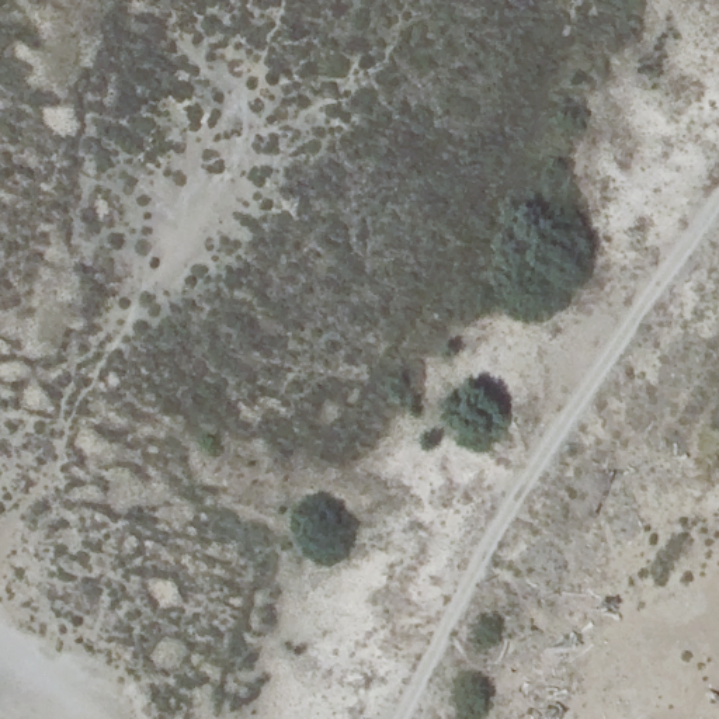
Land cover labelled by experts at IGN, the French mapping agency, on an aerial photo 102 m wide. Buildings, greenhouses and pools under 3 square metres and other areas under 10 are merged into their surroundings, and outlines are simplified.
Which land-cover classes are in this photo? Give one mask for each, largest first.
<instances>
[{"label":"herbaceous vegetation","instance_id":"1","mask_svg":"<svg viewBox=\"0 0 719 719\"><path fill-rule=\"evenodd\" d=\"M174 31H185L194 45H199L211 34H222L208 48V62H219L222 67H227L230 76H239L242 65L258 62L267 65L270 84H275L284 76L289 79L281 104L267 118L272 135H258L253 140V152L281 154L289 163L281 194L295 199L298 211L275 216L272 199H264L261 216L236 213V222L250 230V250L256 258L250 264L227 267L219 275H211L202 264L191 267L180 289L183 301L171 303L169 320L160 326L138 320L135 331L124 337L126 348L107 351L112 334L104 343L90 345V334L101 329L98 317L110 309H129V298L124 292L110 289L112 284H124V278L115 272V253L126 247L143 256L152 244V227H132L124 211V199L132 197L138 205L152 202L138 188L140 171L166 177L174 185H185V174L177 171L169 157L183 154L185 143L169 140L171 112L166 98L183 101L194 95V87L188 81H180L177 70L197 73L199 67L177 51V42L171 39ZM680 39L674 17H657L646 6V0H0V609L6 604L11 609H28V618L17 629L37 638L48 635V626L37 618V612L51 609L59 621V635L73 632L76 646L81 652L104 657V663L118 671V685L135 682L138 691L149 697L146 713L152 719H197L194 688L205 685L213 691L216 716L225 711V705H230V711H242L261 697L264 685L270 682V674L264 668L267 660H281L284 654H306V643H295V635L278 621V607L284 595L281 590L292 579H301L303 565L309 559L301 548H292L289 542L292 514L301 500L312 494H331L360 520V531L376 525V514H396L402 506L421 508V497L399 477H382L376 472L357 475L354 463L368 458L382 438L390 435V424L399 416L424 413L427 357H458L463 351V340L452 334V326H472L483 317L475 309V295L486 289L489 272L494 270L492 233L500 216L497 208L508 205L528 211V199L534 197H545L548 202H553L565 197L573 202L581 197L573 157L576 143L581 140L590 124V95L624 76H663V65L668 59L666 45ZM604 522L612 525L615 534L649 536L652 553L657 559L640 567L638 573L640 579H654L657 587L668 584L677 559L691 548L694 534H702L705 556H713V545L719 542V219L708 230L705 242L688 256V264L671 278L666 295L646 312L643 323L638 326V334L618 357V365L612 368L609 379L598 388L595 404L581 416L567 444L559 449L556 463L548 472H542L536 489L528 492L525 508L514 517V522L497 542L492 562L486 567V579L477 581L463 618L449 632L447 652L435 666L413 719H458L452 705V682L458 674L466 671H480L494 682L492 711L486 719H579V713L567 705L573 702V694L587 691L584 674L590 663L584 657L593 652V643H584L581 629H573L559 638L553 635V629L556 612L573 615L570 604H559L562 593H581L609 579V545L604 536ZM477 615L503 618L506 626L500 646L480 652L469 643Z\"/></svg>","mask_w":719,"mask_h":719},{"label":"bare soil","instance_id":"2","mask_svg":"<svg viewBox=\"0 0 719 719\"><path fill-rule=\"evenodd\" d=\"M646 6L657 17H674L680 39L666 45L668 59L663 65V76H624L590 95V124L581 140L576 143L573 157L581 197L587 202L590 222L598 230V256L590 284L579 289V295L565 312H556L542 323H520L506 315L483 317L472 326H452V334L463 340V351L458 357H427L424 413L399 416L390 424V435L382 438L368 458L354 463L357 475L376 472L382 477H399L421 497V508L402 506L396 514H376V525L360 531L351 559L331 567L315 565L309 559L303 565L301 579H292L281 590L284 595L278 607V621L295 635V643H306V654H284L281 660H267L264 668L270 674V682L264 685L261 697L242 711H230V705H225V711L216 716L213 691L205 685L194 688L197 719H371V713H376L385 702V697H390L399 688L407 666L418 671L427 646L433 643L435 624H441V615L433 612L424 621L402 629L399 618L416 615L421 601L430 598L452 604V595H438V573L447 565L458 570L469 567L477 542L483 539L489 522L497 517L500 503L506 500V492L494 486L506 480L508 469L522 472L528 466L531 447L542 438L545 427L565 410L570 393L593 368L601 345L612 337L626 309L635 303L643 281H649V275L660 267V250L652 247L646 239L649 225H654L663 233V239L671 236L677 225L680 230H688L705 208V199L719 188V0H646ZM483 374L506 385L511 396V424L508 435L497 441L489 452H472L455 444L458 435L452 424L444 418V399L466 379ZM222 34H211L199 45H194L185 31H174L171 39L177 42V51L199 67L197 73L177 70L180 81H188L194 87V95L183 101L166 98L171 112L169 140L185 143L183 154L169 157L177 171L185 174V185H174L166 177L140 171L138 188L152 202L138 205L132 197L124 199V211L132 227H152V244L143 256L126 247L115 253V272L124 278V284H112L110 289L124 292L129 298V309H110L98 317L101 329L90 334V345L104 343L112 334L107 351L126 348L124 337L135 331L138 320L160 326L169 320L171 303L183 301L180 289L191 267L202 264L211 275H219L227 267L250 264L256 258L250 250V230L236 222V213L261 216L264 199H272L275 216L298 211L295 199L281 194L289 163L281 154L253 152V140L258 135H272L267 118L281 104L289 79L284 76L275 84H270L267 65L258 62L242 65L239 76H230L227 67H222L219 62H208V48ZM604 536L609 545V579L581 593H562L559 604H570L573 615L556 612L553 629V635L559 638L573 629H581L584 643H593V652L584 657L590 663L584 674L587 691L573 694V702L567 705L579 713V719H719V542L713 545V556H705L702 534H694L691 548L677 559L668 584L657 587L654 579H640L638 573L640 567L657 559L652 553L649 536L615 534L612 525L604 522ZM28 618V609H11L6 604L0 609V719H152L146 713L149 697L138 691L135 682L118 685V671L104 663V657L81 652L76 646L73 632L59 635V621L51 609L37 612V618L48 626V635L37 638L17 629Z\"/></svg>","mask_w":719,"mask_h":719},{"label":"brushwood","instance_id":"3","mask_svg":"<svg viewBox=\"0 0 719 719\"><path fill-rule=\"evenodd\" d=\"M500 216L492 233L494 270L489 272L486 289L475 295V309L483 317L506 315L520 323H542L556 312H565L579 295V289L590 284L598 256V230L590 222L587 202L581 197L573 202L565 197L553 202H548L545 197H534L528 199V211L508 205L497 208ZM444 418L452 424L458 435L455 444L472 452H489L497 441L508 435L511 424V396L506 385L483 374L466 379L444 399ZM360 531V520L331 494H312L301 500L292 514L289 542L292 548H301L309 559L315 565L331 567L351 559ZM506 626L503 618L477 615L469 643L480 652L500 646ZM494 682L480 671H466L458 674L452 682V705L458 719H486L492 711Z\"/></svg>","mask_w":719,"mask_h":719},{"label":"pervious surface","instance_id":"4","mask_svg":"<svg viewBox=\"0 0 719 719\"><path fill-rule=\"evenodd\" d=\"M719 219V188L705 199V208L688 230H680L677 225L671 236L663 239V233L654 225H649L646 239L652 247L660 250V267L649 275V281H643L635 303L626 309L612 337L601 345L593 368L570 393L565 410L545 427L542 438L531 447L528 466L522 472L508 469L506 480L494 486L506 492V500L500 503L497 517L489 522L483 539L477 542L469 567L458 570L447 565L438 573V595H452V604L430 598L421 601L416 615L399 618L402 629L424 621L433 612L441 615V624H435L433 643L427 646L418 671L407 666L399 688L390 697H385V702L376 713H371V719H413L435 666L447 652L449 632L463 618L477 581L486 579V567L492 562L497 542L514 522V517L525 508L528 492L536 489L542 472H548L556 463L559 449L567 444L581 416L595 404L598 388L609 379L612 368L618 365V357L638 334V326L643 323L646 312L666 295L671 278L688 264V256L705 242L708 230Z\"/></svg>","mask_w":719,"mask_h":719}]
</instances>
